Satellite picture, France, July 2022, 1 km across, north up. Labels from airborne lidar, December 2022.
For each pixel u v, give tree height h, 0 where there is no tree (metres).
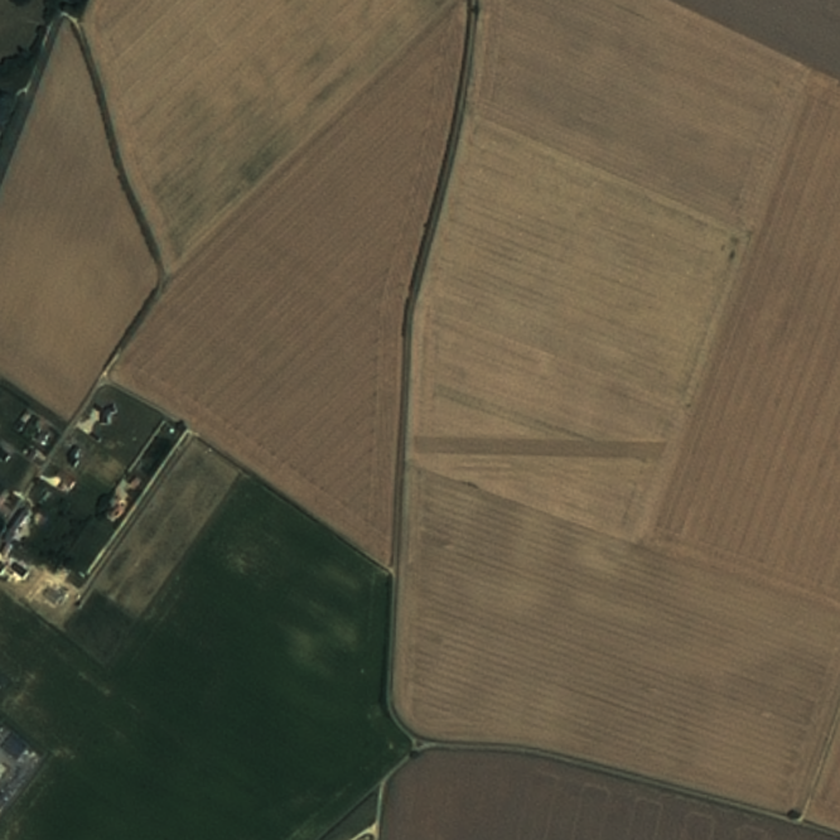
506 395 0
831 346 0
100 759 0
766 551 0
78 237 0
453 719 0
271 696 0
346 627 0
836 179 0
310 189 0
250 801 0
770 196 0
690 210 0
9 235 0
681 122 0
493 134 0
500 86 0
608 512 0
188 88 0
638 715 0
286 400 0
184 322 0
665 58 0
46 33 11
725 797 0
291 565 0
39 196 0
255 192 0
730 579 0
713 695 0
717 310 0
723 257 0
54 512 0
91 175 0
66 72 0
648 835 0
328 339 0
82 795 0
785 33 0
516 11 0
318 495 0
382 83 0
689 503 0
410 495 0
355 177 0
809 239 0
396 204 0
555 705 0
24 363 0
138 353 0
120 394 0
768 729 0
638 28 0
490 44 0
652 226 0
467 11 0
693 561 0
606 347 0
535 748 0
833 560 0
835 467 0
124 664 0
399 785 0
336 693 0
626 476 0
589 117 0
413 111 0
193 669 0
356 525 0
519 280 0
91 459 0
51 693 0
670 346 0
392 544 0
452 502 0
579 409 0
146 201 0
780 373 0
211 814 0
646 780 0
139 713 0
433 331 0
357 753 0
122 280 0
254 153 0
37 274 0
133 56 0
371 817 0
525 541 0
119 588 0
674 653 0
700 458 0
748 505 0
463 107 0
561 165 0
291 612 0
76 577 0
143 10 0
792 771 0
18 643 0
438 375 0
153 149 0
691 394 0
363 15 0
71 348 0
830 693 0
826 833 0
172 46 0
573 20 0
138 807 0
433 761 0
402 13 0
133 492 8
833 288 0
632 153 0
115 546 0
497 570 0
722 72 0
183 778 0
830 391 0
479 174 0
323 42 0
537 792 0
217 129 0
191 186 0
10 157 0
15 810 0
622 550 0
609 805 0
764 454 0
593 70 0
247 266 0
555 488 0
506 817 0
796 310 0
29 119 0
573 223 0
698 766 0
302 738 0
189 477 0
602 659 0
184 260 0
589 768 0
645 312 0
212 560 0
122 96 0
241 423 0
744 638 0
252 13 0
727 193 0
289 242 0
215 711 0
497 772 0
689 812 0
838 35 0
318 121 0
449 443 0
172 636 0
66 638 0
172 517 0
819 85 0
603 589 0
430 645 0
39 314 0
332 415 0
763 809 0
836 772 0
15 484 0
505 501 0
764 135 0
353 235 0
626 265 0
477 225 0
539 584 0
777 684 0
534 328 0
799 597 0
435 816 0
